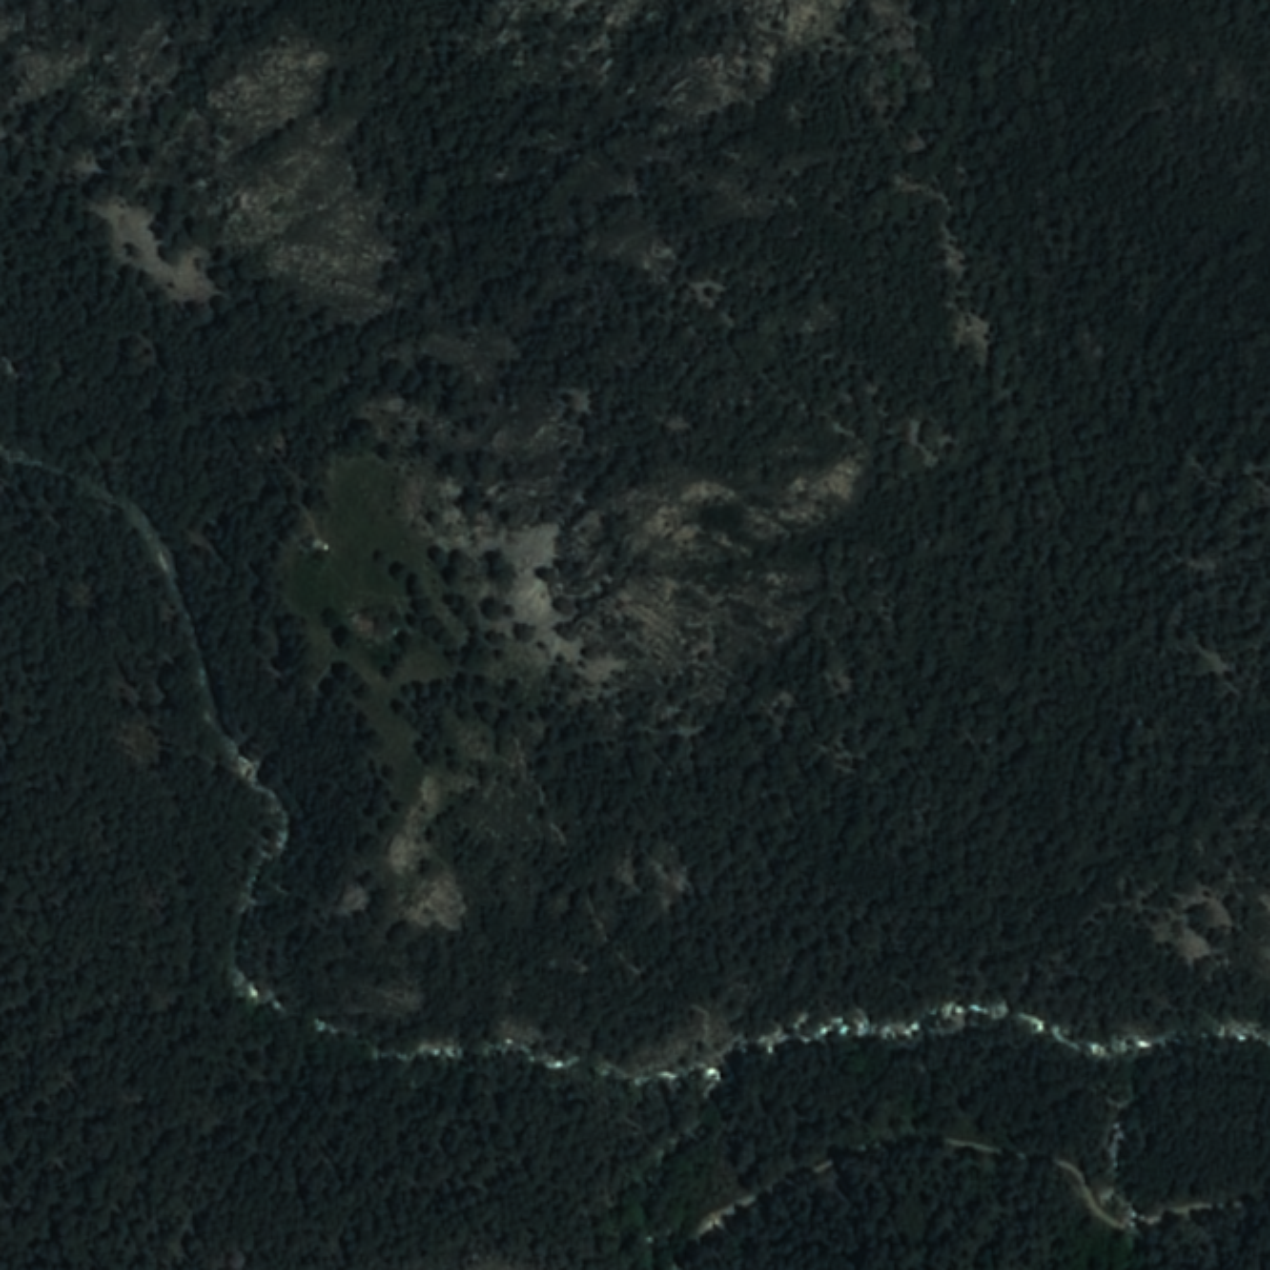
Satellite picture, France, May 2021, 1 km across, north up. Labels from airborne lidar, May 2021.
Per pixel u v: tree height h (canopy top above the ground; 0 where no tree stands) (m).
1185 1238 19
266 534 20
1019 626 12
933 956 26
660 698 14
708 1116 16
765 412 11
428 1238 30
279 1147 30
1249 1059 29
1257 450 11
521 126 13
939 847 16
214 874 31
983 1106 29
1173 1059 16
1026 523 20
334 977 19
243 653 33
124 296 26
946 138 29
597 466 18
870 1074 25
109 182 25
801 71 14
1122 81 14
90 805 32
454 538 0
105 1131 32
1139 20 13
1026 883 26
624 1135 21
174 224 36
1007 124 20
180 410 33
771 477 18
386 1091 28
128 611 35
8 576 29
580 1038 8
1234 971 18
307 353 27
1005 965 24
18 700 31
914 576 21
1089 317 10
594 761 21
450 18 18
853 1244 32
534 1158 26
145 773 30
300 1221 32
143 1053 27
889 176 18
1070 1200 21
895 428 19
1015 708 26
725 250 16
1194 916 18
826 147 16
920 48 16
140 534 28
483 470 21
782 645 7
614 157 14
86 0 27
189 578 28
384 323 22
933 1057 26
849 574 19
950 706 14
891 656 9
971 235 26
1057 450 20
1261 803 18
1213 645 14
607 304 17
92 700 32
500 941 15
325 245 0
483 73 21
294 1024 27
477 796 13
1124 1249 20
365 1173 31
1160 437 17
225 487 30
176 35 14
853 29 19
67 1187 28
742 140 18
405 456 8
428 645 9
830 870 17
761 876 18
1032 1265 27
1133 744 20
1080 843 20
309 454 20
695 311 20
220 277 27
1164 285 9
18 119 18
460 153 20
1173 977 15
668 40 9
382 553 11
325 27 13
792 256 16
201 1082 32
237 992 17
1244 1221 13
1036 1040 17
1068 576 27
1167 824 11
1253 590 14
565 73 9
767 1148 29
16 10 12
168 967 32
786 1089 30
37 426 29
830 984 20
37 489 32
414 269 21
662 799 18
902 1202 22
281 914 27
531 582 0
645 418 16
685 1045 0
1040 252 16
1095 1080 17
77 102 20
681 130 10
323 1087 34
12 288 26
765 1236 33
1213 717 14
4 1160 32
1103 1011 16
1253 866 14
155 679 33
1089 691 22
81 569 36
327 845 22
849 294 16
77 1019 23
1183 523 20
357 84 24
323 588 0
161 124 20
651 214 13
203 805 29
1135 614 21
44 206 18
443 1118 26
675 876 18
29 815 33
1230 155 14
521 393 18
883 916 28
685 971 13
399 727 0
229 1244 30
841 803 14
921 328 27
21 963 36
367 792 18
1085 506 24
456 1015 13
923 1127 13
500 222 20
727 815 21
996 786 30
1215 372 19
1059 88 14
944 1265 24
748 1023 16
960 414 22
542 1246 23
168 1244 22
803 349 15
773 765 22
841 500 0
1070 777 20
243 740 28
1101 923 14
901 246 28
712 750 24
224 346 33
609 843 14
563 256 14
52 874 21
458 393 29
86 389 27
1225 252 13
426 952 18
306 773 28
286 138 19
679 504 0
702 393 10
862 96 20
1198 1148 28
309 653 28
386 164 17
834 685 13
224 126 10
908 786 25
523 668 0
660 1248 11
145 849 30
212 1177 31
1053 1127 30
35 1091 29
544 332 16
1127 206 15
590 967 14
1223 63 17
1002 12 15
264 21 16
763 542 6
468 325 15
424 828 0
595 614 15
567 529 13
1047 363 16
